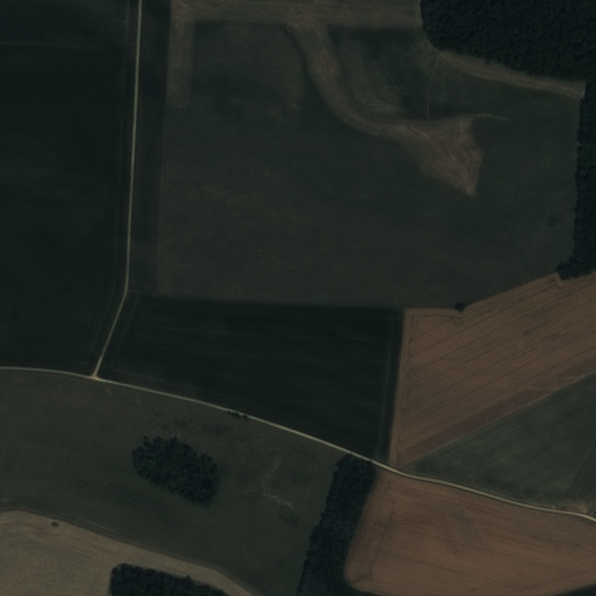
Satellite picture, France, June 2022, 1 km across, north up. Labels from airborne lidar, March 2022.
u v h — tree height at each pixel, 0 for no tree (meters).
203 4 0
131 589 16
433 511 0
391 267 0
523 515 0
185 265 0
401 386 0
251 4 0
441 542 0
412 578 0
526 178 0
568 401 0
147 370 0
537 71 19
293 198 0
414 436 0
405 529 0
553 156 0
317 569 18
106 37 0
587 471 0
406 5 0
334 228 0
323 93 0
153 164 0
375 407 0
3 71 0
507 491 0
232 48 0
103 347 0
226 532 0
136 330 0
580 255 16
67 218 0
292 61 0
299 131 0
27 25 0
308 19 0
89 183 0
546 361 0
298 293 0
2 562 0
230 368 0
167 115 0
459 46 20
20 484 0
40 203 0
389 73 0
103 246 0
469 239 0
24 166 0
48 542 0
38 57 0
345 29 0
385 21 0
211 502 18
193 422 0
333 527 15
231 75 0
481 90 0
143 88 0
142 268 0
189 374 0
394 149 0
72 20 0
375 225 0
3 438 0
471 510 0
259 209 0
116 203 0
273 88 0
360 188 0
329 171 0
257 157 0
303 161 0
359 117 0
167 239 0
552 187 0
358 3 0
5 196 0
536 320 0
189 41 0
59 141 0
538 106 0
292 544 0
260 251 0
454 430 0
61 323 0
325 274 0
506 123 0
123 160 0
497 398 0
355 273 0
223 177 0
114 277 0
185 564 0
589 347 0
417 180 0
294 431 0
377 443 0
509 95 0
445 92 0
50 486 0
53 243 0
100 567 0
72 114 0
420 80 0
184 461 7
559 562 0
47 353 0
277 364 0
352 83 0
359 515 6
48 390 0
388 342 0
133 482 0
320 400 0
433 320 0
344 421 0
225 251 0
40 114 0
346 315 0
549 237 0
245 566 0
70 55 0
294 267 0
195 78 0
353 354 0
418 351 0
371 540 0
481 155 0
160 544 0
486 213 0
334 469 0
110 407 0
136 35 0
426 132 0
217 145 0
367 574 0
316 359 0
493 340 0
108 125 0
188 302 0
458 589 0
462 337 0
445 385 0
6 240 0
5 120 0
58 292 0
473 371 0
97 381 0
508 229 0
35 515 0
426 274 0
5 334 0
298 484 0
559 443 0
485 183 0
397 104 0
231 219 0
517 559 0
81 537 0
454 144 0
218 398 0
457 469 0
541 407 0
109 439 0
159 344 0
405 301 0
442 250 0
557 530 0
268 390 0
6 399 0
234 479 0
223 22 0
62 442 0
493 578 0
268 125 0
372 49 0
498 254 0
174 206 0
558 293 0
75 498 0
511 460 0
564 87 0
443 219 0
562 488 0
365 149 0
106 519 0
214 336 0
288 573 0
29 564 0
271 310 0
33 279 0
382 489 0
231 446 0
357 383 0
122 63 0
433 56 0
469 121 0
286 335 0
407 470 0
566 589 0
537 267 0
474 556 0
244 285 0
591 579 0
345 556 6
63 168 0
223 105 0
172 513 0
